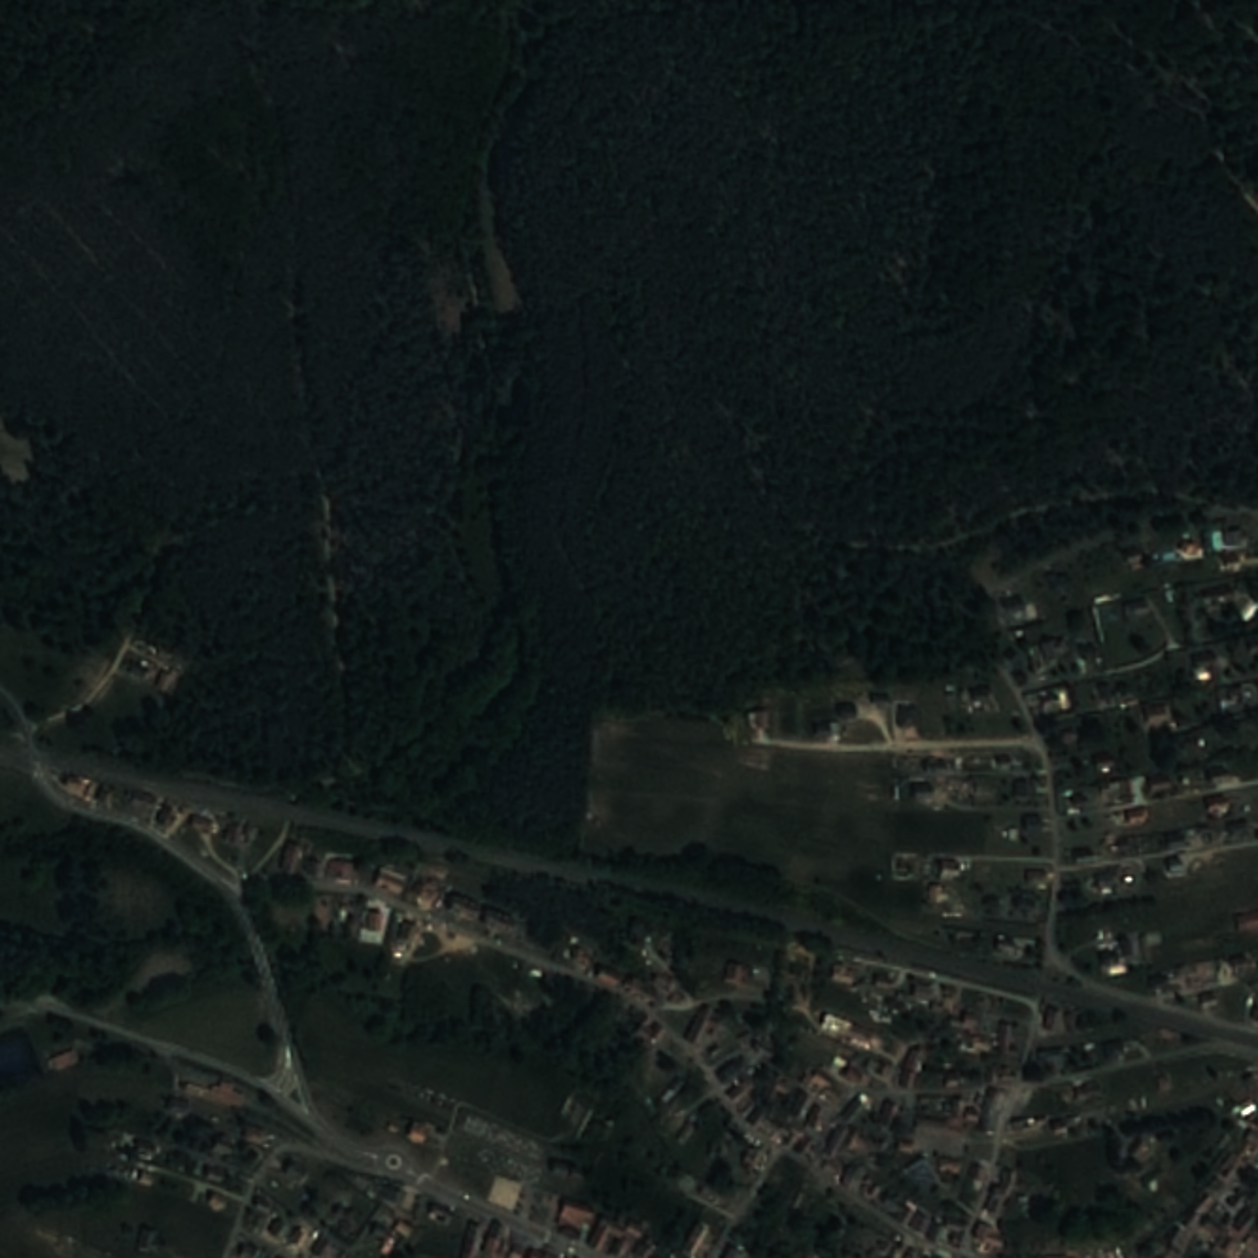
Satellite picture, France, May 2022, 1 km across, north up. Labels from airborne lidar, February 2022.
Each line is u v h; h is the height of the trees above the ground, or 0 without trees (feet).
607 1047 0
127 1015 0
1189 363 48
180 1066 0
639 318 75
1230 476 56
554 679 65
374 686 64
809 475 76
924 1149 0
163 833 0
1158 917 0
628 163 73
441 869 0
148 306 76
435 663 82
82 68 39
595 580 67
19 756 0
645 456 75
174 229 73
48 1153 0
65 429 60
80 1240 0
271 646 42
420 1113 0
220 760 79
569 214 70
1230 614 38
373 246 42
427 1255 0
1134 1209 64
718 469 77
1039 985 0
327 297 70
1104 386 35
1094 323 80
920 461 45
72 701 0
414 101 59
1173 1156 43
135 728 57
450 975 0
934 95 76
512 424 96
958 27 88
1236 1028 0
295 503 44
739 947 0
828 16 84
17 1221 0
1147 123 46
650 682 71
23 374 74
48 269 70
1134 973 20
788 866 0
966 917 0
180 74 68
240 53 69
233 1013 0
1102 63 51
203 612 43
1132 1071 0
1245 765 0
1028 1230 0
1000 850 0
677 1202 0
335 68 62
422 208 62
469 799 64
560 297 61
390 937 0
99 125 76
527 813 43
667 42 83
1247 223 50
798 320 86
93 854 34
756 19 80
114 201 73
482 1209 0
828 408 76
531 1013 0
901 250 65
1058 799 0
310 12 59
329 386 66
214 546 53
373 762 68
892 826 0
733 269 73
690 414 79
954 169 61
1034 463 59
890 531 34
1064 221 56
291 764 39
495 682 72
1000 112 47
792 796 0
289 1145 0
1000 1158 0
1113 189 31
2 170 68
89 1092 0
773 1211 35
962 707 0
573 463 62
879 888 0
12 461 0
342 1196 0
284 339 69
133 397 72
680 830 0
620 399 50
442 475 104
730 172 82
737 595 84
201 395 71
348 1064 0
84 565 47
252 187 64
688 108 76
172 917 0
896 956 0
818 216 81
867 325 68
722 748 0
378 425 92
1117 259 52
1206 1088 0
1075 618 31
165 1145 0
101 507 47
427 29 55
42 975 63
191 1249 0
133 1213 0
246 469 71
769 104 74
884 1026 0
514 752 64
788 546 74
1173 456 43
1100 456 55
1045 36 41
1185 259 50
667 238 84
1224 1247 0
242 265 73
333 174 55
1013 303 54
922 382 52
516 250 77
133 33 62
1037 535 96
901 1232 0
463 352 67
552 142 73
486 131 74
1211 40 99
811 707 0
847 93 89
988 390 41
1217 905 0
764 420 78
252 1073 0
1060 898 31
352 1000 17
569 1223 0
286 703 34
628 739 0
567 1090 0
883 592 35
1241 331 98
